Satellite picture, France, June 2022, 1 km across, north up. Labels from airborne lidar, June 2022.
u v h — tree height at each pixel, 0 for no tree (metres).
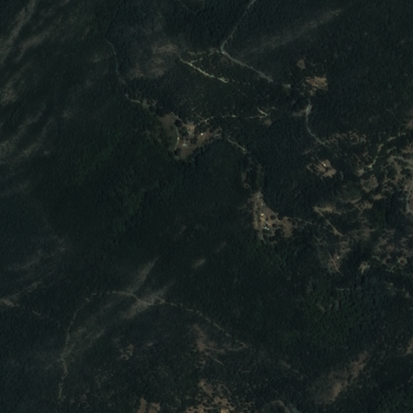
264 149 9
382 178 14
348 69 10
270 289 10
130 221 12
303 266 10
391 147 15
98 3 8
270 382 11
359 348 13
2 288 6
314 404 8
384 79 8
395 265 6
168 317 6
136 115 11
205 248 8
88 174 10
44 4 7
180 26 10
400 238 8
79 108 6
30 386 9
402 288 14
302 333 9
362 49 12
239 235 8
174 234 10
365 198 13
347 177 12
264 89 14
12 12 11
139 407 12
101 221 9
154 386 7
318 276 11
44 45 6
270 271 8
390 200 16
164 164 9
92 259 10
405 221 9
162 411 9
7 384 6
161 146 10
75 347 6
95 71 6
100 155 12
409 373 16
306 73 14
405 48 9
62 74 10
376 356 11
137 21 7
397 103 11
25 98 15
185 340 10
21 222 6
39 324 11
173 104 9
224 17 7
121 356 7
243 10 8
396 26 14
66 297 8
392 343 12
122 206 6
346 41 10
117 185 15
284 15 9
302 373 10
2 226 8
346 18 13
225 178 10
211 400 12
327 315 17
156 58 0
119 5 8
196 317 8
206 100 13
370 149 8
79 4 8
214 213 12
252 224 7
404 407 16
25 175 7
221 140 10
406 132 11
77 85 9
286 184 7
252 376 12
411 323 9
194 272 6
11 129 6
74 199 8
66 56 7
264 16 9
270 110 7
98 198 14
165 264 8
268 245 12
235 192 8
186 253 8
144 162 9
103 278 7
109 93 7
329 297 12
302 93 15
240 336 7
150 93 12
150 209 11
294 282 11
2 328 9
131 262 6
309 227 11
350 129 9
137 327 7
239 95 11
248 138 14
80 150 12
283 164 12
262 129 11
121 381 7
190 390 7
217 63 7
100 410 10
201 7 6
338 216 6
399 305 14
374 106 11
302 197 11
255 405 13
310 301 10
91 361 9
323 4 7
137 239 10
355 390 8
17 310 9
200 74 6
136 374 12
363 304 12
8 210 6
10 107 14
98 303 9
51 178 9
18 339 8
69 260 7
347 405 15
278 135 7
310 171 7
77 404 7
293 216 16
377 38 11
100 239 11
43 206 6
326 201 7
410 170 11
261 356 8
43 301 6
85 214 9
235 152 9
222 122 13
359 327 11
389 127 8
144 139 11
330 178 11
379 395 19
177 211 6
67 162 10
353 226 11
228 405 10
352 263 15
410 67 17
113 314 6
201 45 7
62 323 8
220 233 7
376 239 9
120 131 13
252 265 13
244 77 10
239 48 7
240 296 6
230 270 9
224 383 7
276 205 9
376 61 9
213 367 6
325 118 10
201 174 8
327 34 10
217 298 10
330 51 6
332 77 12
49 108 6
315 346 9
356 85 7
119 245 9
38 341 7
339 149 6
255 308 14
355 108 7
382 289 15
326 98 6
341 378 7
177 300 7
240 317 6
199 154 11
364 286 15
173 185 8
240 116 8
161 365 8
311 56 11
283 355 9
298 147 7
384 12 10
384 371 14
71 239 6
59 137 6
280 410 13
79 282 9
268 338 9
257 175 14
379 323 8
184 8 17
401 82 9
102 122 8
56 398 8
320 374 6
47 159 10
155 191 14
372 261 10
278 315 9
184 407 8
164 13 7
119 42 9
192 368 10
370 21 12
